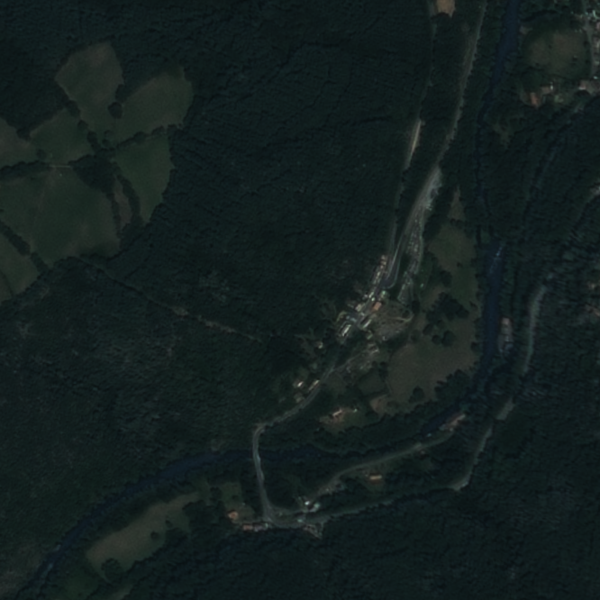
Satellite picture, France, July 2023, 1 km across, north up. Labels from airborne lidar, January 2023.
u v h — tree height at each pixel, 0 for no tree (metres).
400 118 9
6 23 24
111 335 19
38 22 29
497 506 19
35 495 18
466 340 0
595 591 9
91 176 15
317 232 11
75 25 27
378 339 0
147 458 23
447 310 27
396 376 0
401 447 20
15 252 0
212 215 29
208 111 26
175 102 0
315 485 25
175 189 26
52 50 20
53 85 10
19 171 23
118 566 8
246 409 16
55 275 17
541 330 7
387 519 14
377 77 24
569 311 16
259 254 9
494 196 21
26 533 11
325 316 14
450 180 14
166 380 14
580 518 19
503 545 28
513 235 14
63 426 17
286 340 20
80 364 24
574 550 18
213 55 8
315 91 27
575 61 7
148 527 0
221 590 26
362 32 16
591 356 18
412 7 26
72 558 17
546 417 27
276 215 20
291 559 25
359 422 0
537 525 19
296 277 16
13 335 16
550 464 23
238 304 23
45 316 14
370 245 19
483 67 23
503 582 19
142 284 28
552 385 10
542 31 0
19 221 0
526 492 24
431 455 9
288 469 18
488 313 0
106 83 0
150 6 23
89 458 15
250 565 22
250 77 30
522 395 10
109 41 8
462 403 13
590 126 20
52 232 0
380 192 21
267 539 13
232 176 23
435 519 15
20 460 14
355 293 11
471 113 18
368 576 10
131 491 0
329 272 14
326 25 14
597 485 17
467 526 14
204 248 13
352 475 0
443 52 23
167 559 22
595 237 22
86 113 0
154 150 0
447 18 21
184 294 7
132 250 21
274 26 15
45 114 7
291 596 23
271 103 27
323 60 25
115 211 10
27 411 19
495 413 17
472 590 23
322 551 25
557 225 25
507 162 17
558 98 0
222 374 19
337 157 14
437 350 0
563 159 26
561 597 25
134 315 26
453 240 0
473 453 21
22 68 16
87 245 0
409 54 25
